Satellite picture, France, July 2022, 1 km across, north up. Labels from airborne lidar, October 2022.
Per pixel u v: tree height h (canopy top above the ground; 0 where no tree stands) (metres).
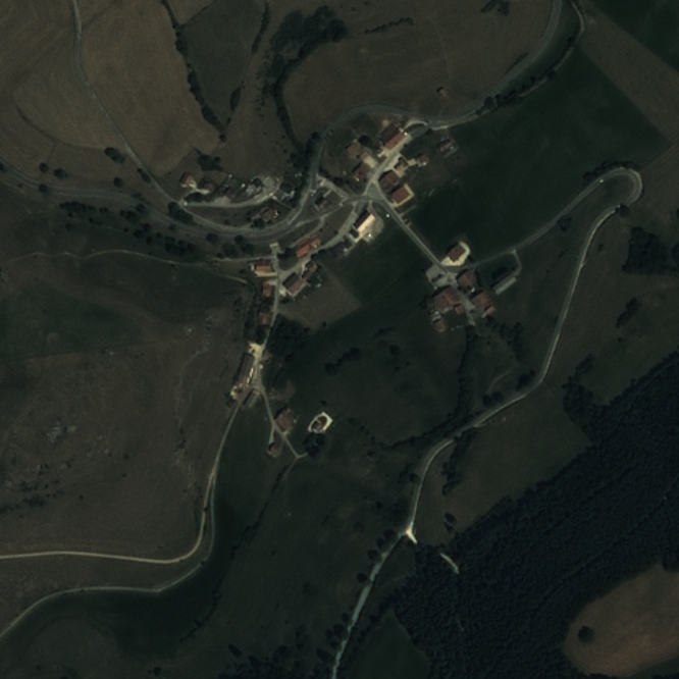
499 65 0
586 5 0
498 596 30
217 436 0
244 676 8
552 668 24
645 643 0
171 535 0
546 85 0
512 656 21
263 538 0
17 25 0
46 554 0
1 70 0
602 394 0
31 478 0
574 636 0
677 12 0
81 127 0
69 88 0
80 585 0
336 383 0
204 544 0
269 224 8
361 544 0
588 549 20
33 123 0
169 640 0
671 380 16
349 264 0
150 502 0
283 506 0
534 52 0
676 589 0
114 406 0
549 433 0
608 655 0
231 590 0
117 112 0
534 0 0
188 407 0
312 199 0
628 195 0
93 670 0
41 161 0
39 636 0
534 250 0
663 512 20
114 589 0
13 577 0
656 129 0
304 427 0
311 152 17
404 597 21
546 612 20
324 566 0
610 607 0
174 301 0
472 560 28
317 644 0
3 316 0
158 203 0
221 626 0
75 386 0
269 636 0
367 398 0
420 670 0
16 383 0
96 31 0
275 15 0
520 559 15
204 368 0
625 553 21
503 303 0
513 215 0
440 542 0
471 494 0
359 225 0
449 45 0
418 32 0
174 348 0
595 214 0
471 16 0
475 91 0
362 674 0
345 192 0
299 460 0
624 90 0
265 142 0
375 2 0
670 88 0
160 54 0
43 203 0
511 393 0
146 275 0
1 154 0
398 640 0
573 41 12
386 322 0
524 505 18
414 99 0
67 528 0
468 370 7
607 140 0
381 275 0
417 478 15
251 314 9
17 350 0
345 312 0
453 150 0
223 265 0
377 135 0
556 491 12
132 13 0
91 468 0
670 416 23
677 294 0
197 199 12
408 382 0
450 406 0
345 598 0
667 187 0
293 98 0
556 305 0
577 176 0
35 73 0
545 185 0
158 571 0
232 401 0
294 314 0
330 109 0
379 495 0
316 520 0
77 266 0
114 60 0
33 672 0
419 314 0
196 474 0
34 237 0
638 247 13
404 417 0
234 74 0
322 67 0
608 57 0
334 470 0
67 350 0
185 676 0
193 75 7
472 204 0
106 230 0
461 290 9
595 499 19
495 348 0
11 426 0
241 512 0
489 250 0
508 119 0
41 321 0
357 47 0
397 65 0
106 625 0
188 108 0
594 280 0
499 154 0
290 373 0
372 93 0
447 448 0
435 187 0
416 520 0
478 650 23
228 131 0
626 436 24
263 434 0
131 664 0
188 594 0
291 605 0
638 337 0
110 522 0
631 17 0
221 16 0
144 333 0
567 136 0
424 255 0
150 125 0
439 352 0
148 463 0
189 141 0
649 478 21
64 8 0
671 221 0
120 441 0
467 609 27
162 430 0
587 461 14
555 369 0
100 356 0
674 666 0
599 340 0
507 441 0
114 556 0
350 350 0
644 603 0
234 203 0
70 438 0
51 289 0
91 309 0
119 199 0
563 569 14
